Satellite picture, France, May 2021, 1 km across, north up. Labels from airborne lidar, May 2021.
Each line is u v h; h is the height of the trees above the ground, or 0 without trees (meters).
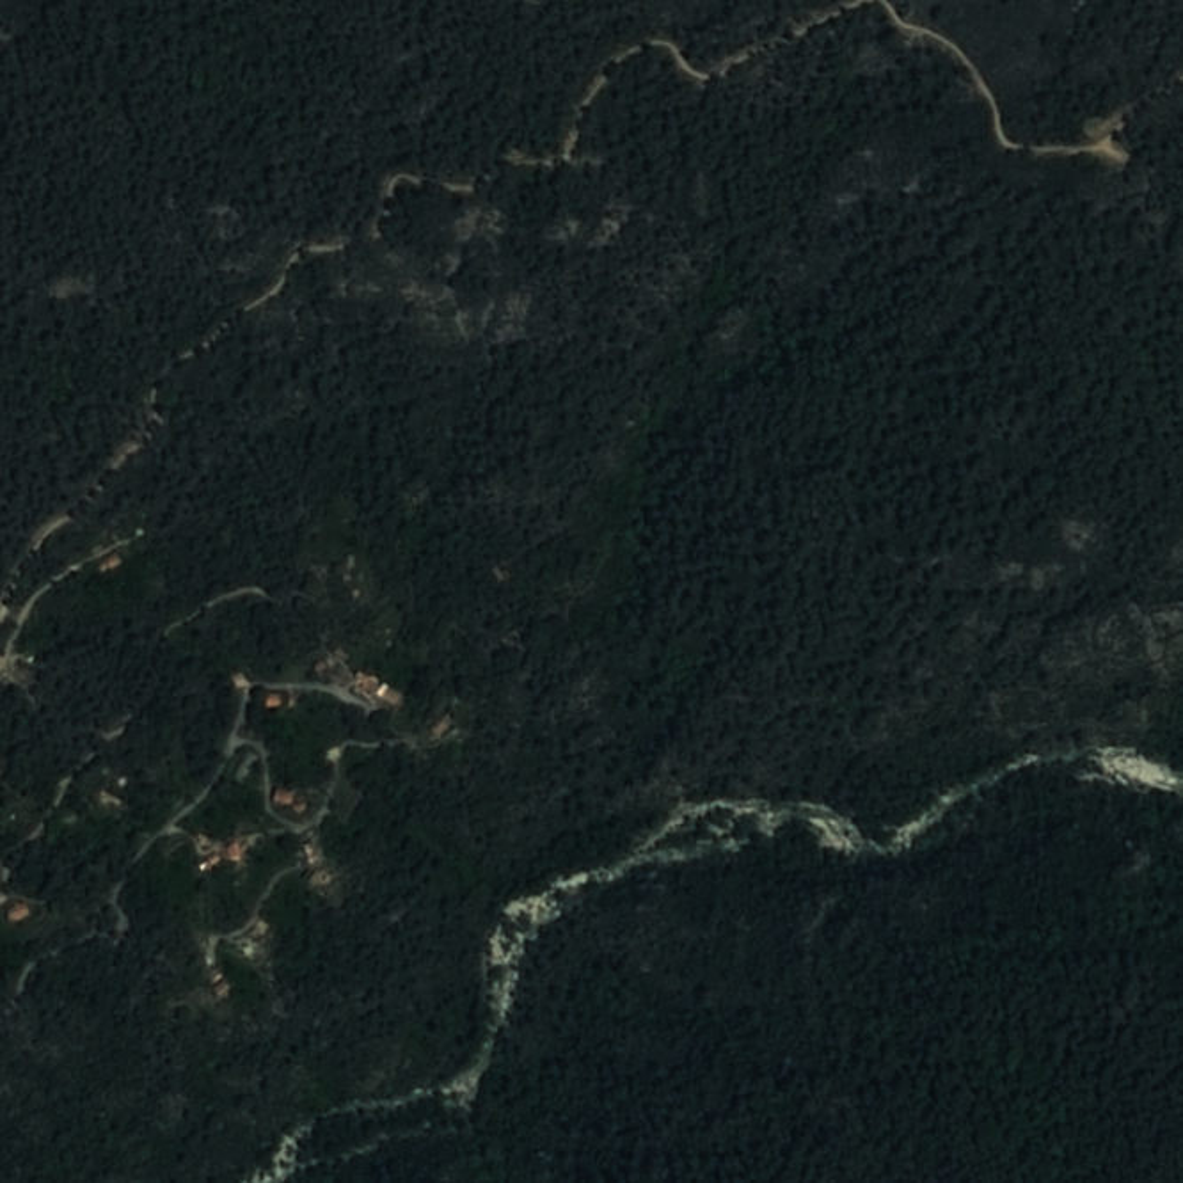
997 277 19
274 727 12
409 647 9
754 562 21
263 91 16
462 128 21
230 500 13
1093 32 17
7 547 20
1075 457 18
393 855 8
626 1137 14
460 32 24
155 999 13
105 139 24
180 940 8
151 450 21
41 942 8
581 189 24
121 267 18
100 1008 20
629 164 6
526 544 16
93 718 6
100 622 5
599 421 25
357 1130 21
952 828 19
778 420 26
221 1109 7
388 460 8
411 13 24
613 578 7
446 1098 13
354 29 22
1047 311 25
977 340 6
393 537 9
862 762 20
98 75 23
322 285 29
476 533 12
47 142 19
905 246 23
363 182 20
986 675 14
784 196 19
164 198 19
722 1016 8
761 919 9
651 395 14
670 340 7
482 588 13
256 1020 12
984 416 26
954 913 8
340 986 14
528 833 6
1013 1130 14
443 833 6
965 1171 22
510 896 16
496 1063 12
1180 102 24
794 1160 23
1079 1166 23
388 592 14
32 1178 11
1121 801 6
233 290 15
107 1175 17
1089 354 25
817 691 25
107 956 18
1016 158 15
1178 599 8
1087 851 11
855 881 12
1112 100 20
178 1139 6
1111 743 8
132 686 15
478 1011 23
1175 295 23
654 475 21
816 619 22
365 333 25
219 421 8
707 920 9
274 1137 13
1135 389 20
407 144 22
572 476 21
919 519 21
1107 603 22
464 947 7
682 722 20
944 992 19
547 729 10
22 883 8
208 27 21
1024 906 8
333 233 17
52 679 26
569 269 27
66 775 15
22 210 20
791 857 25
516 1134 12
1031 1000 20
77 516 19
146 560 11
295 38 21
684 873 9
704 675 7
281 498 6
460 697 17
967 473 19
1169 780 0
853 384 12
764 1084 27
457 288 23
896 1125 20
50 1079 14
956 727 17
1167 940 12
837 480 26
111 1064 7
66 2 23
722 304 12
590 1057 16
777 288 18
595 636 9
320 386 26
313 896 8
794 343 16
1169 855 13
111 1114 6
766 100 22
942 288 28
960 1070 23
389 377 22
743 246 22
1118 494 10
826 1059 9
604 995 12
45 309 7
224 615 6
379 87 17
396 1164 14
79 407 24
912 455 7
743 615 22
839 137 16
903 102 30
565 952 20
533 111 18
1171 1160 20
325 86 12
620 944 13
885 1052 23
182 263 6
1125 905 12
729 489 28
